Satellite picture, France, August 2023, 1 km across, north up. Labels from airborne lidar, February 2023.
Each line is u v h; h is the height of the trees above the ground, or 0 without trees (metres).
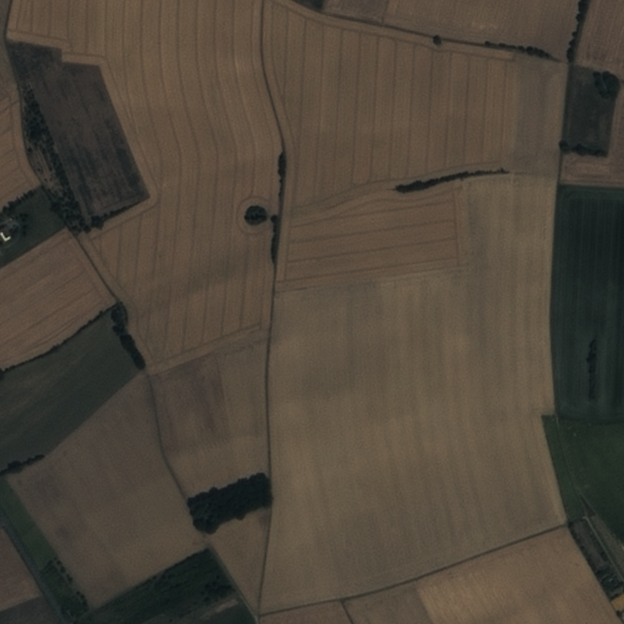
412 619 0
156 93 0
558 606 0
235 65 0
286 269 0
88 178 0
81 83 0
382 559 0
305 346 0
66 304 0
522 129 0
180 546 0
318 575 0
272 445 0
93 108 0
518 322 0
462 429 0
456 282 0
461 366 0
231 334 0
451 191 0
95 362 0
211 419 0
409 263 0
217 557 0
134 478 0
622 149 0
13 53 0
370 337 0
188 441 0
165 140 0
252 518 0
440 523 0
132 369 0
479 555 0
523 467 0
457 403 0
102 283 0
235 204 0
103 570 0
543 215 0
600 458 0
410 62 0
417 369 0
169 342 0
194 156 0
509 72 0
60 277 0
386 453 0
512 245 0
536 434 0
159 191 0
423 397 0
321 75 0
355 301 0
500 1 0
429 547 0
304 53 0
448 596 0
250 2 0
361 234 0
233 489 14
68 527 0
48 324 0
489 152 0
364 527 0
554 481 0
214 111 0
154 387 0
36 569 0
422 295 0
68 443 0
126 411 0
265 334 0
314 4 0
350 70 0
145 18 0
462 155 0
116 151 0
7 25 0
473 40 0
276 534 0
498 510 0
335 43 0
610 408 0
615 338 0
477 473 0
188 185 0
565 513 0
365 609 0
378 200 0
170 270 0
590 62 0
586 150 11
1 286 0
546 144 0
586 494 0
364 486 0
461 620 0
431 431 0
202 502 14
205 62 0
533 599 0
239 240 0
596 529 0
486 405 0
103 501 0
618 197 0
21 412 0
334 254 0
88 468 0
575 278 0
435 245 0
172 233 0
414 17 0
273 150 0
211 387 0
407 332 0
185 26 0
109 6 0
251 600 0
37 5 0
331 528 0
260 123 0
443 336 0
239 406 0
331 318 0
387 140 0
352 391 0
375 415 0
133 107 0
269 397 0
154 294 0
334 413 0
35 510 0
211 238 0
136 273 0
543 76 0
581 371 0
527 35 0
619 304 0
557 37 0
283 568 0
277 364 0
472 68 0
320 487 0
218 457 0
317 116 0
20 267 0
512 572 0
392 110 0
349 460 0
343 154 0
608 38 0
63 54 0
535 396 0
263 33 0
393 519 0
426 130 0
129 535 0
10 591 0
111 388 0
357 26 0
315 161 0
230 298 0
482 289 0
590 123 0
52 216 0
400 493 0
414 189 7
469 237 0
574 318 0
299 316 0
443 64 0
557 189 0
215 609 0
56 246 0
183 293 0
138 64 0
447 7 0
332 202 0
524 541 0
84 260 0
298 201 0
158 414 0
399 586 0
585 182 0
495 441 0
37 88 0
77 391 0
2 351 0
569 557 0
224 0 0
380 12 0
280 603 0
